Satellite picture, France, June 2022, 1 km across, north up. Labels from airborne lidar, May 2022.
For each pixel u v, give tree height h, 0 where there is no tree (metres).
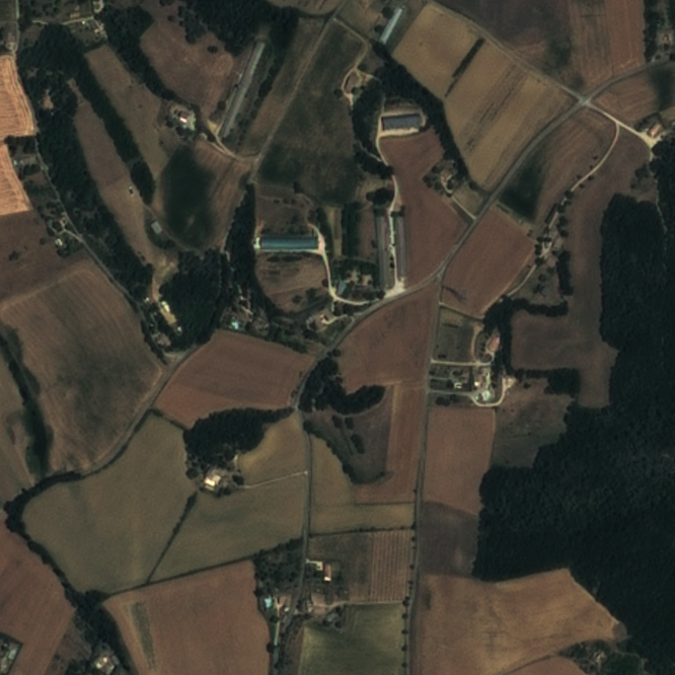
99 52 0
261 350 0
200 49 0
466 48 0
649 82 0
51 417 0
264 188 0
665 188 11
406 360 0
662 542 7
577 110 0
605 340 13
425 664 0
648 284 13
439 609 0
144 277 11
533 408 0
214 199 0
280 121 0
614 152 0
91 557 0
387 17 7
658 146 10
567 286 15
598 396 0
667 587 11
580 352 0
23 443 0
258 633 0
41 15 9
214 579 0
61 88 7
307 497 0
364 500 0
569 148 0
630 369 10
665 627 7
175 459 0
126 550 0
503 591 0
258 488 0
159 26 0
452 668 0
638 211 9
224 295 13
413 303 0
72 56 14
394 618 0
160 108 0
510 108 0
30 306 0
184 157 0
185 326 14
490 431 0
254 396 0
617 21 0
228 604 0
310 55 0
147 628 0
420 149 0
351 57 0
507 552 6
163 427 0
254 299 10
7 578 0
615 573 10
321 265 0
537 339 0
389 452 0
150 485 0
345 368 0
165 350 7
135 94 0
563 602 0
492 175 0
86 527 0
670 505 15
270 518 0
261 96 10
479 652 0
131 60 11
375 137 0
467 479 0
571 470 17
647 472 20
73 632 0
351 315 10
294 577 11
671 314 10
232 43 6
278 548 8
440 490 0
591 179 8
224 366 0
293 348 10
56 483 26
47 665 0
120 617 0
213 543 0
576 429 17
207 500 0
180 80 0
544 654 0
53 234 8
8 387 0
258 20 11
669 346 6
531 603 0
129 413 0
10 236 0
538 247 12
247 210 11
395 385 0
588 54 0
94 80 8
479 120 0
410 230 0
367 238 0
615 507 16
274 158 0
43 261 0
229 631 0
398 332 0
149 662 0
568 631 0
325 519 0
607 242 12
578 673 0
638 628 9
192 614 0
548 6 0
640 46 0
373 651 0
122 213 0
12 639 6
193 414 0
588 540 10
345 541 0
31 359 0
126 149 11
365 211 0
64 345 0
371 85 7
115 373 0
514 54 0
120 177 0
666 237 8
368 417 0
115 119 9
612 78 0
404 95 13
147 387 0
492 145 0
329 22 0
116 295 0
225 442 13
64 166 12
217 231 0
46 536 0
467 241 0
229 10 16
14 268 0
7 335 0
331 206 0
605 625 0
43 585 0
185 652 0
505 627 0
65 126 7
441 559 0
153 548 0
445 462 0
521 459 0
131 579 0
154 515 0
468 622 0
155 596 0
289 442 0
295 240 0
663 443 10
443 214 0
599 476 15
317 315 0
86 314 0
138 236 0
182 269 13
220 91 0
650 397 13
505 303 8
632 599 13
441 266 0
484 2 0
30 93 18
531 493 8
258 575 11
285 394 0
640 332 12
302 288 0
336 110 0
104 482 0
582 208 0
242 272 11
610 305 15
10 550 0
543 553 9
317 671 0
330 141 0
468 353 0
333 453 8
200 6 9
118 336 0
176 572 0
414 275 0
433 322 0
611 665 6
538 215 0
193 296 11
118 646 19
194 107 6
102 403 0
